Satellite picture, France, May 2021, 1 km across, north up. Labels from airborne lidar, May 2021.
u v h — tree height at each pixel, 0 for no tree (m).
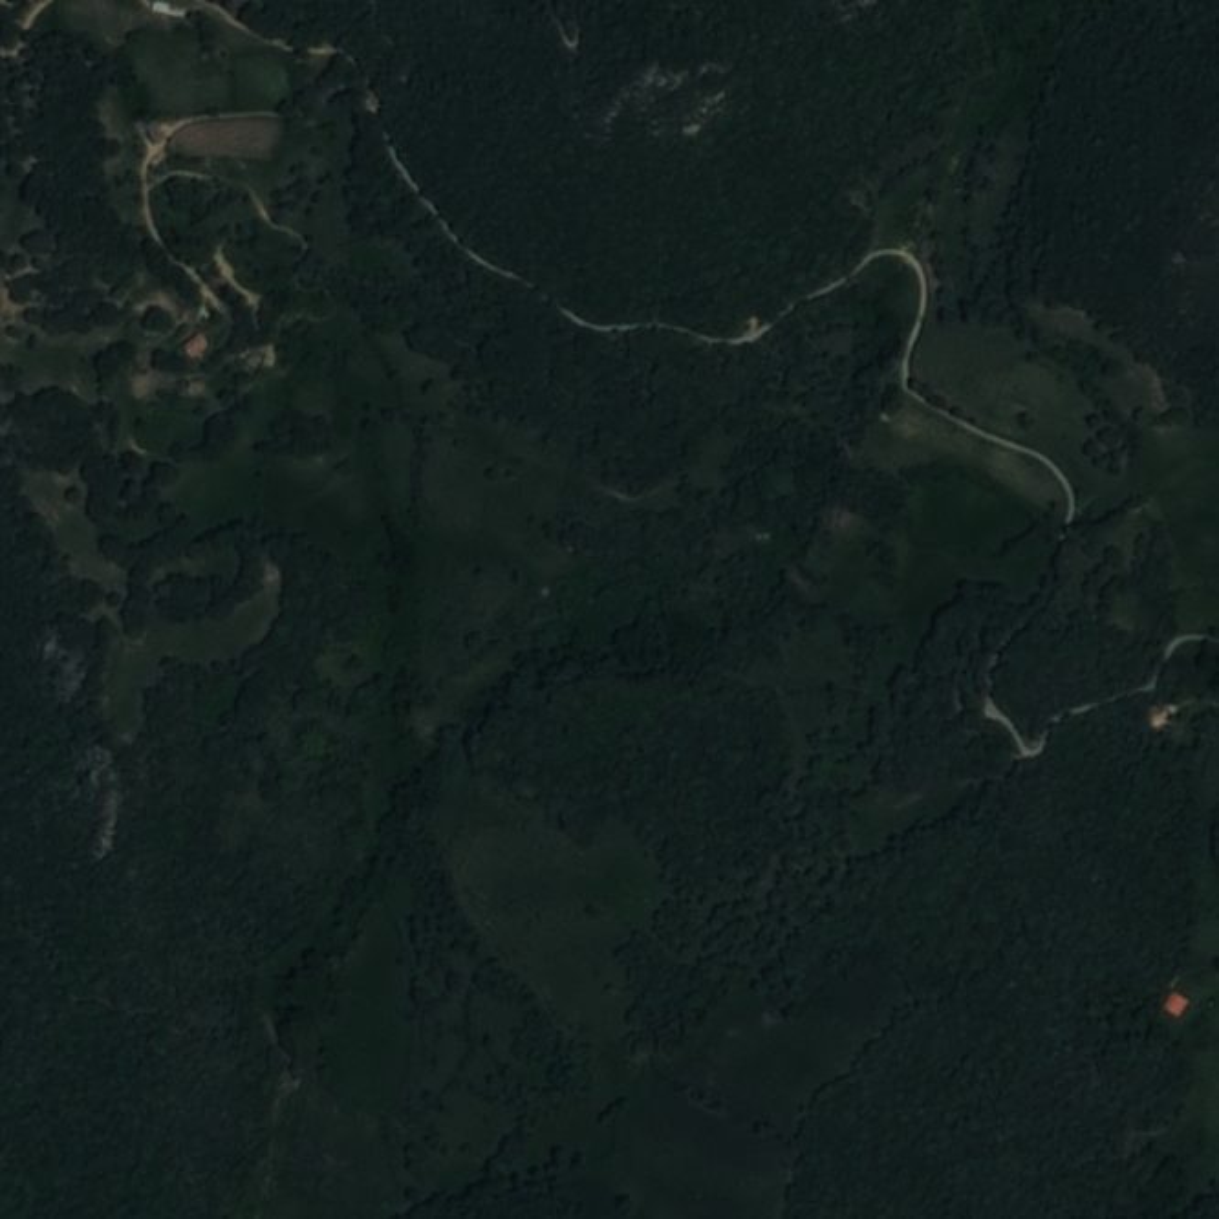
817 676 0
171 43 0
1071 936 9
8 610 9
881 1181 8
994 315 8
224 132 0
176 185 18
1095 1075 7
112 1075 10
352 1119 0
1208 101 6
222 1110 7
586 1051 15
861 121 10
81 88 12
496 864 0
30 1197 11
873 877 7
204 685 17
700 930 11
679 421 12
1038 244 9
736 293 7
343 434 0
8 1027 11
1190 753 13
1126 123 5
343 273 5
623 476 9
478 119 6
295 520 0
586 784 14
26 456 9
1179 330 5
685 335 11
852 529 0
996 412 0
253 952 10
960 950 14
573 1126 0
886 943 14
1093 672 9
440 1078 0
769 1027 0
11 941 11
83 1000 8
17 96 11
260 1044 11
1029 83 0
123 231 16
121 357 18
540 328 10
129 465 20
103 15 0
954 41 9
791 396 10
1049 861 9
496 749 15
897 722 6
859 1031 0
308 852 7
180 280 12
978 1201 7
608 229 6
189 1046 6
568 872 0
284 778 15
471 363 13
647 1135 0
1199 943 0
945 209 0
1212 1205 11
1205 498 0
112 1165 8
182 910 7
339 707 12
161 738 9
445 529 0
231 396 15
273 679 15
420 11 7
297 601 16
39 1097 12
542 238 7
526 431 12
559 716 12
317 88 16
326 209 0
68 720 10
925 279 0
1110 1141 9
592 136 5
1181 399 9
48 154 10
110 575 0
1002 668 9
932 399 11
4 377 13
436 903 12
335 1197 0
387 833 9
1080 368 8
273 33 13
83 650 10
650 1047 13
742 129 7
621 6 10
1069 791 8
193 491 0
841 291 7
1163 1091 11
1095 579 10
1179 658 6
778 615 7
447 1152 8
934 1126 12
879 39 9
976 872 10
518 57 6
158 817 6
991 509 0
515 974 6
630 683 15
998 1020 7
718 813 11
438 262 12
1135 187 6
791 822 13
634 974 8
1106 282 5
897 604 0
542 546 0
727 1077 0
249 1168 14
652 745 10
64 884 10
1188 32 10
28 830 6
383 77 10
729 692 11
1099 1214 12
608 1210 0
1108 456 8
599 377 12
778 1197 0
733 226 10
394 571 8
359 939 9
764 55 5
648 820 8
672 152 6
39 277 6
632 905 0
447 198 9
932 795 0
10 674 9
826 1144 6
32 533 8
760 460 8
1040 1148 12
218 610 15
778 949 11
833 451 6
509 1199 18
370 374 0
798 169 6
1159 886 8
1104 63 6
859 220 13
